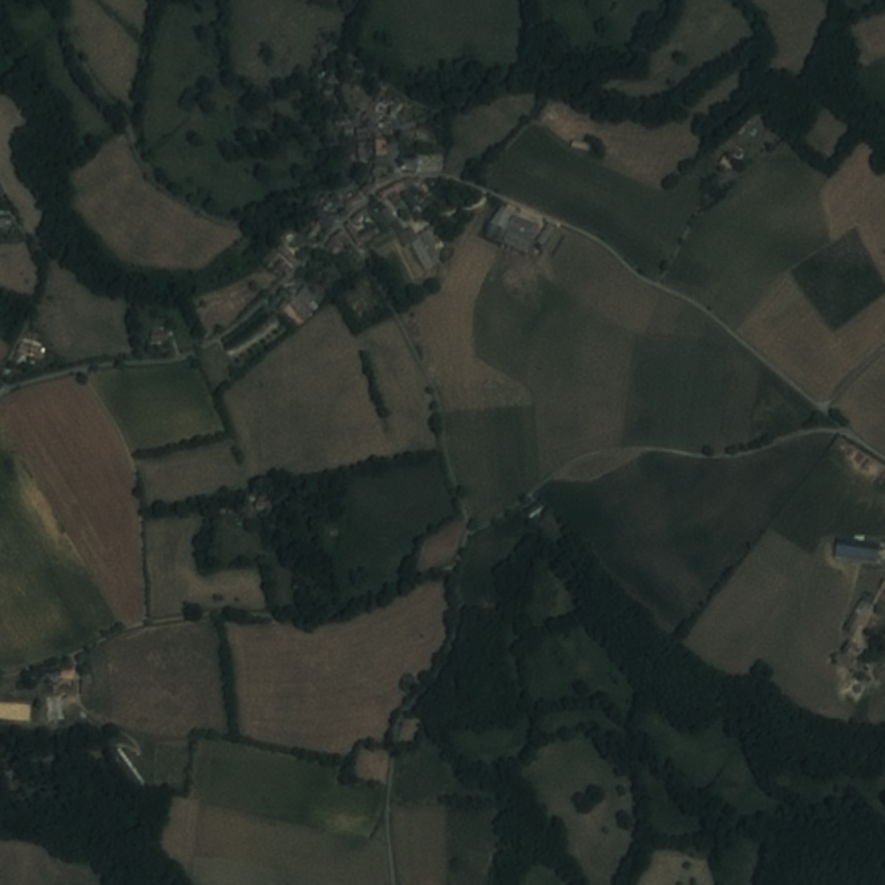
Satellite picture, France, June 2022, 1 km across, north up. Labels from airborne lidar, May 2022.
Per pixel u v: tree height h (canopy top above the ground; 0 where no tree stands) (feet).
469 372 0
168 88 0
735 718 60
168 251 0
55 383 0
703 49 0
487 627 64
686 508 0
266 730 0
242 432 0
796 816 51
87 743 78
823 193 0
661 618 0
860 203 0
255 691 0
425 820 0
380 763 0
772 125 61
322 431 0
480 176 34
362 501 0
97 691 0
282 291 25
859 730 43
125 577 0
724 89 0
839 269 0
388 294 21
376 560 0
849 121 54
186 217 0
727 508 0
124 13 0
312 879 0
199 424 0
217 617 33
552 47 78
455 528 0
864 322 0
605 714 27
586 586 65
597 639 61
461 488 37
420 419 0
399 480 0
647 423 0
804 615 0
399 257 0
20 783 81
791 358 0
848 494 0
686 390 0
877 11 56
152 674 0
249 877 0
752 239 0
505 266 0
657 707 46
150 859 51
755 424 0
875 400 0
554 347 0
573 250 0
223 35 59
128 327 38
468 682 55
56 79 0
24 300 33
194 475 0
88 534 0
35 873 0
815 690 0
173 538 0
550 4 0
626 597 37
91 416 0
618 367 0
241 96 0
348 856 0
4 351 0
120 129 42
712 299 0
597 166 0
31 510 0
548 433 0
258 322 21
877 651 25
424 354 0
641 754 78
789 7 0
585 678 0
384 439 0
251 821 0
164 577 0
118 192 0
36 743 71
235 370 33
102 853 56
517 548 35
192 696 0
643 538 0
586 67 60
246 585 0
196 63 0
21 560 0
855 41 45
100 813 64
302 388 0
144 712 0
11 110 0
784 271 0
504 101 0
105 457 0
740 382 0
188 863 0
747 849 0
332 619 28
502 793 47
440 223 37
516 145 0
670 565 0
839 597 0
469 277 0
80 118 0
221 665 21
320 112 25
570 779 0
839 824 89
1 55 37
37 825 65
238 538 0
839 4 49
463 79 24
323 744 0
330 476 40
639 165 0
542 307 0
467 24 0
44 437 0
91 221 0
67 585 0
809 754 71
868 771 50
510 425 0
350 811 0
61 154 79
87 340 0
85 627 0
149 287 46
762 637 0
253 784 0
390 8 0
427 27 0
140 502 18
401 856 0
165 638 0
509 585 66
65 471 0
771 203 0
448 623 51
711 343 0
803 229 0
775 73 52
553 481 0
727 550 0
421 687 40
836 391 0
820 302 0
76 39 0
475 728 70
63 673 0
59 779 82
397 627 0
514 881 59
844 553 0
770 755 72
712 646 0
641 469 0
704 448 27
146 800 49
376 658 0
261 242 37
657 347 0
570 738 54
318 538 44
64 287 0
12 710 0
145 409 0
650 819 55
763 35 63
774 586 0
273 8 0
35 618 0
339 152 28
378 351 0
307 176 47
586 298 0
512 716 72
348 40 47
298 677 0
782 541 0
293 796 0
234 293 0
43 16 0
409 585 59
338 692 0
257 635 0
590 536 0
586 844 0
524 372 0
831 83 64
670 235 0
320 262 25
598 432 0
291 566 66
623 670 52
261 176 55
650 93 0
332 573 24
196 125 0
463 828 0
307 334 0
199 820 0
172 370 0
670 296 0
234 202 0
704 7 0
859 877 59
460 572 40
